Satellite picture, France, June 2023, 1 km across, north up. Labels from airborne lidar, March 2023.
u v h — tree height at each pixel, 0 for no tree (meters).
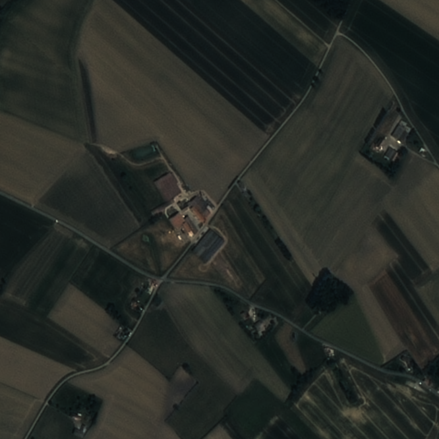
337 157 0
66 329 0
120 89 0
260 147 0
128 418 0
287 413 0
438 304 0
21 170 0
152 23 0
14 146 0
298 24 0
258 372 0
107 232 0
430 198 0
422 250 0
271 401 0
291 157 0
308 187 0
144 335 0
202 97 0
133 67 0
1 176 0
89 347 0
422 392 0
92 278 0
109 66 0
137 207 0
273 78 0
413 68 0
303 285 0
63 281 0
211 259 0
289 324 0
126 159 0
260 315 7
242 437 0
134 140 0
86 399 0
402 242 0
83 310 0
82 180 0
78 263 0
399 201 0
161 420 0
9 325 0
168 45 0
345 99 0
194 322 0
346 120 0
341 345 0
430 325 0
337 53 0
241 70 0
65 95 0
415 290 0
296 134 0
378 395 0
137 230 0
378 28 0
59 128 0
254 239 0
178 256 0
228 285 0
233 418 0
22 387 0
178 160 0
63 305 0
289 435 0
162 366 0
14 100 0
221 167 0
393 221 0
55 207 0
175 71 0
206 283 0
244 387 0
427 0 0
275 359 0
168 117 0
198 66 0
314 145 0
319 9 0
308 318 0
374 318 0
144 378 0
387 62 0
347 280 0
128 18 0
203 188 0
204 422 0
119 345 0
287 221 0
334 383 0
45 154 0
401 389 0
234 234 0
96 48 0
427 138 0
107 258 0
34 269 0
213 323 0
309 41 0
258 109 0
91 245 0
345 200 0
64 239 0
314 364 0
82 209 0
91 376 0
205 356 0
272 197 0
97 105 0
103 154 0
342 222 0
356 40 0
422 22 0
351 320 0
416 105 0
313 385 0
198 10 0
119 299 0
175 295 0
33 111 0
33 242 0
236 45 0
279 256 0
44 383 0
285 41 0
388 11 0
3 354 0
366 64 0
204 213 0
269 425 0
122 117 0
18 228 0
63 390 0
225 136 0
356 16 0
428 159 0
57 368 0
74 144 0
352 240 0
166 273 0
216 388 0
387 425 0
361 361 0
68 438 0
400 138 0
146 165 0
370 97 0
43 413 0
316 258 0
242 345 0
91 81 0
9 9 0
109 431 0
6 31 0
